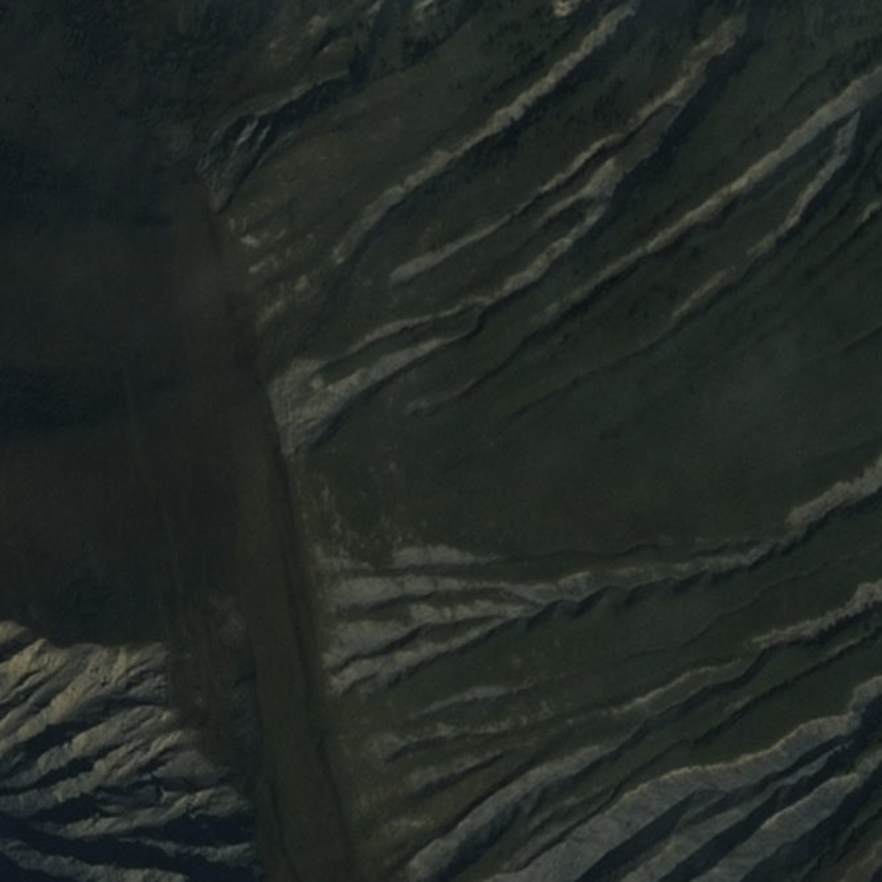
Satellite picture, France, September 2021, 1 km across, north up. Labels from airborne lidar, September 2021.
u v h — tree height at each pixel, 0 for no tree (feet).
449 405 0
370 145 0
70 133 0
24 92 0
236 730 0
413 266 0
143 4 0
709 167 0
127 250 0
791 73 0
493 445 0
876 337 0
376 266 0
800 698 0
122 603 0
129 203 0
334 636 0
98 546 0
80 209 0
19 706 0
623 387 0
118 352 0
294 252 0
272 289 0
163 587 0
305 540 0
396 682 0
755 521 0
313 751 0
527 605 0
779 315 0
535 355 0
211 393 0
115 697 0
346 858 0
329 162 0
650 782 0
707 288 0
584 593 0
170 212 0
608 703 0
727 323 0
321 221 0
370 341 0
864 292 0
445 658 0
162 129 0
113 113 0
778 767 0
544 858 0
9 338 0
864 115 0
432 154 0
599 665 0
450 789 0
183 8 0
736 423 0
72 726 0
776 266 0
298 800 0
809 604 0
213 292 0
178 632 0
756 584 0
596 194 0
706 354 0
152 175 0
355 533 0
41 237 0
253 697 0
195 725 0
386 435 0
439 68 0
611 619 0
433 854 0
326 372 0
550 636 0
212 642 0
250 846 0
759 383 0
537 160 0
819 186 0
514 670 0
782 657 0
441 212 0
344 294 0
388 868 0
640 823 0
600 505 0
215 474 0
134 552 0
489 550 0
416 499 0
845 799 0
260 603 0
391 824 0
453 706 0
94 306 0
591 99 0
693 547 0
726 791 0
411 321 0
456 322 0
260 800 0
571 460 0
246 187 0
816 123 0
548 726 0
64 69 0
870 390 0
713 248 0
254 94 0
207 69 0
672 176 0
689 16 38
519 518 0
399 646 0
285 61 0
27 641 0
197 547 0
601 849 0
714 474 0
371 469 0
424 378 0
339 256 0
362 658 0
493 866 0
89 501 0
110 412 0
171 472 0
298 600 0
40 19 0
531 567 0
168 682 0
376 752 0
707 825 0
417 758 0
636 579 0
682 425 0
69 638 0
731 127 0
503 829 0
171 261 0
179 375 0
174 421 0
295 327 0
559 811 0
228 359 0
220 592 0
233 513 0
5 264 0
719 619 0
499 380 0
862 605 0
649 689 0
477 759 0
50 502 0
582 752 0
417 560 0
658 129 0
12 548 0
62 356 0
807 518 0
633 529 0
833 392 0
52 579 0
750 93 0
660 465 0
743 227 0
